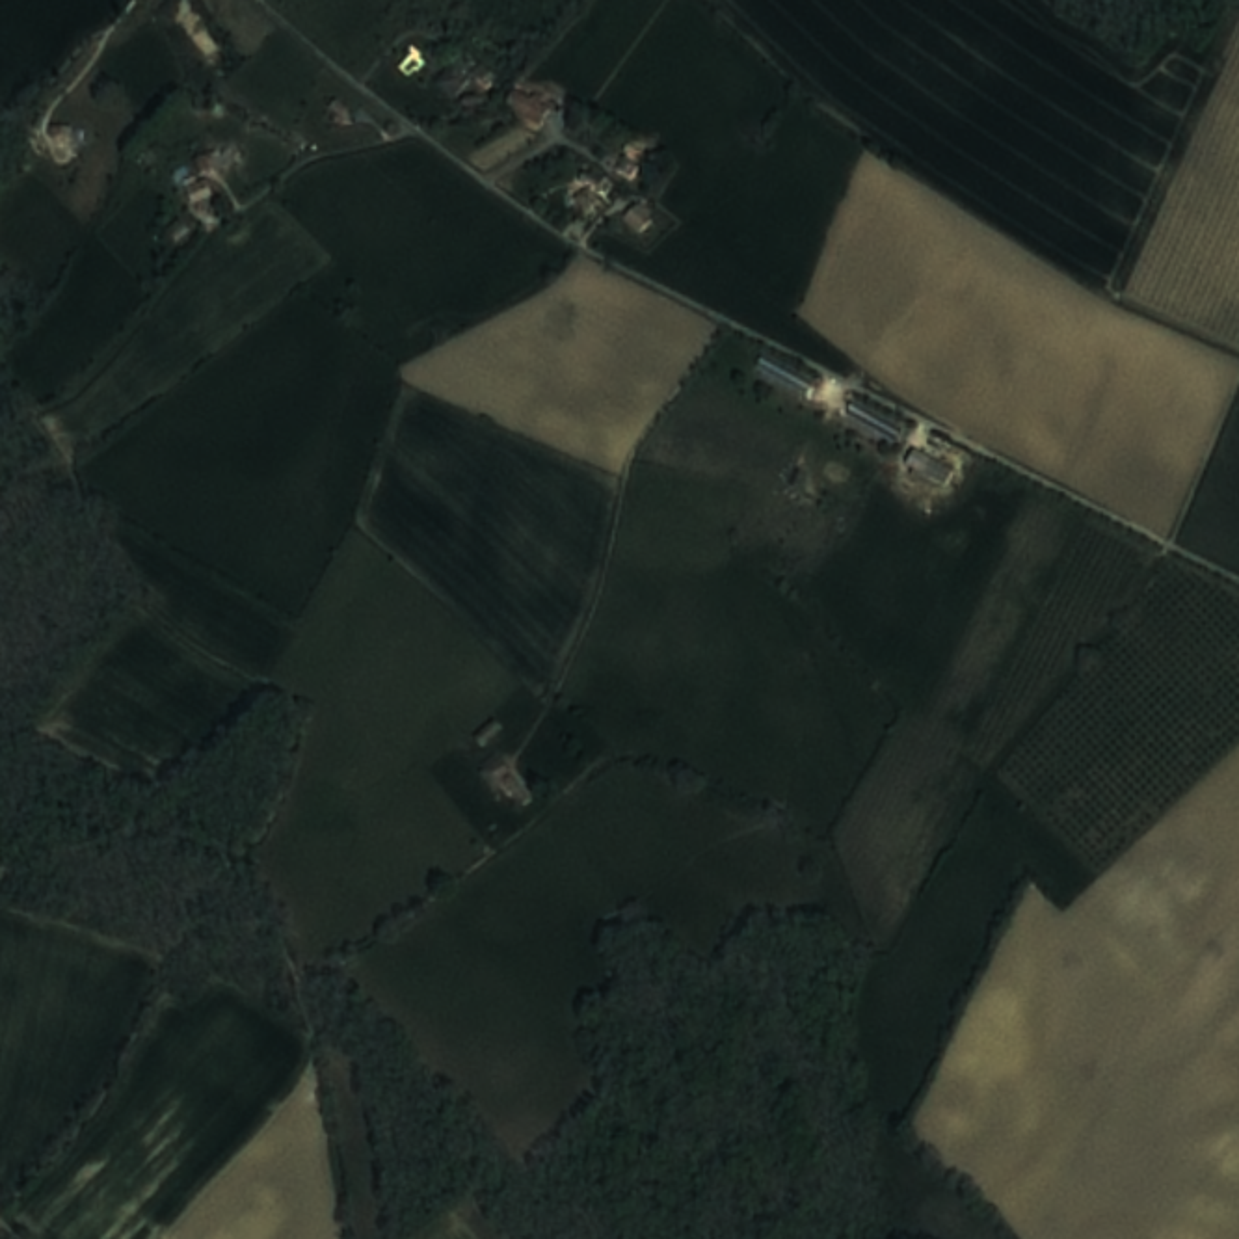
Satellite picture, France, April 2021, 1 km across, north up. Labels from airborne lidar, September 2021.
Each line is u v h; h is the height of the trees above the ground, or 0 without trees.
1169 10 17
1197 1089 0
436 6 6
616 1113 16
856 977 20
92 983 0
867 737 0
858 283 0
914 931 0
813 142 0
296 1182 0
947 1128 0
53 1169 7
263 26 0
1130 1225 0
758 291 0
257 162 0
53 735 0
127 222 0
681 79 0
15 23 0
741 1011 23
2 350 17
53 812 24
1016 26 0
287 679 0
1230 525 0
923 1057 0
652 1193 20
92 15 0
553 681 0
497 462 0
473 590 0
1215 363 0
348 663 0
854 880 0
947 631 0
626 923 14
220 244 0
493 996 0
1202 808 0
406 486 0
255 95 0
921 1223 0
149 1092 0
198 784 22
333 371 0
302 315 0
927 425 0
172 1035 0
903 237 0
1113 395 0
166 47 0
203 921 16
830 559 0
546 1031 0
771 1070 21
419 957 0
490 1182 15
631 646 0
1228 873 0
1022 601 0
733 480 0
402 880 0
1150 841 0
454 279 0
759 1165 24
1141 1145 0
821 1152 23
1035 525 0
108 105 17
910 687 0
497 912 0
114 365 0
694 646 0
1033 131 0
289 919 18
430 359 0
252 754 21
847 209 0
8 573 20
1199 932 0
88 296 0
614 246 0
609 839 0
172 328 0
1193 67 0
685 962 21
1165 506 0
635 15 0
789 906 0
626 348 0
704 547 0
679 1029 20
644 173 17
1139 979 0
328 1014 18
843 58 0
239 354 0
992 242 0
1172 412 0
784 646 0
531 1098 0
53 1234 0
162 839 11
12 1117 0
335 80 0
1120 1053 0
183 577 0
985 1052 0
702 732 0
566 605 0
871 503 0
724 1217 22
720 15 14
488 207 0
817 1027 25
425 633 0
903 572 0
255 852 8
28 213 0
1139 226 0
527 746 0
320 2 0
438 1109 21
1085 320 0
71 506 16
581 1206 15
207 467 0
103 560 22
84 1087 0
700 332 0
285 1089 0
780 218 0
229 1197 0
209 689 0
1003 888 0
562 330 0
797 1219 24
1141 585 0
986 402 0
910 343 0
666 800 0
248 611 0
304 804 0
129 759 0
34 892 15
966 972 0
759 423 0
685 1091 18
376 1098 22
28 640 14
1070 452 0
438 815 0
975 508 0
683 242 0
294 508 0
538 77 0
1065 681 0
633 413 0
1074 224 0
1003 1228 12
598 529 0
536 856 0
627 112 0
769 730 0
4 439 19
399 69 0
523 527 0
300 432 0
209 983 10
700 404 0
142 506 0
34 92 18
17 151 18
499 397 0
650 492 0
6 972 0
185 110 12
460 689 0
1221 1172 0
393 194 0
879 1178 16
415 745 0
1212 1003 0
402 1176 19
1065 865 0
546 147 0
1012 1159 0
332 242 0
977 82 0
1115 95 0
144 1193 0
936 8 0
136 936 17
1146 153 0
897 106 0
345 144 0
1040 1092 0
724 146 0
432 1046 0
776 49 0
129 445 0
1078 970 0
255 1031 0
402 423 0
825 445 0
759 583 0
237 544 0
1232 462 0
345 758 0
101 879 18
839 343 0
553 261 0
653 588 0
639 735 0
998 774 0
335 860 0
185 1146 0
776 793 0
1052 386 0
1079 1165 0
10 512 21
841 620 0
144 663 0
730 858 0
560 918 0
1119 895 0
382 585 0
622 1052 18
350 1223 17
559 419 0
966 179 0
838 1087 27
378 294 0
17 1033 0
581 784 0
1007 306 0
